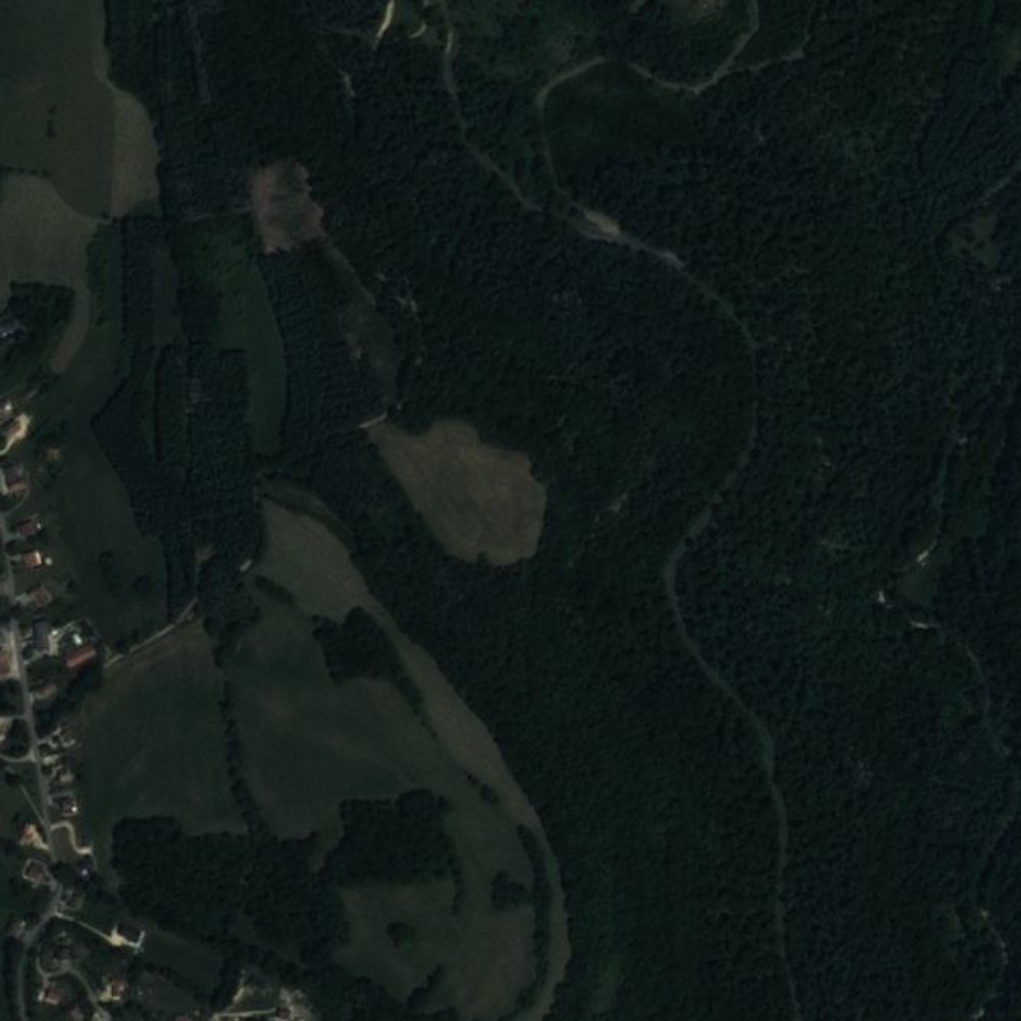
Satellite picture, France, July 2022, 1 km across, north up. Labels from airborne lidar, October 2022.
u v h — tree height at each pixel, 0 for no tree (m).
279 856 15
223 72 19
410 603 19
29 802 0
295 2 25
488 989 0
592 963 9
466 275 27
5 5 0
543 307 27
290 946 24
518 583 9
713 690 24
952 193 17
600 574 25
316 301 11
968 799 26
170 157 19
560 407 18
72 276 0
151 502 16
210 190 22
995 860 19
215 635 17
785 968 22
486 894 0
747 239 23
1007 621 20
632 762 10
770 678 17
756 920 15
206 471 17
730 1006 25
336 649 19
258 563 12
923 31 13
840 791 20
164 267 0
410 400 15
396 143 26
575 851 19
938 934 8
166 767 0
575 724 16
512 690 21
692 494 18
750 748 25
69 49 0
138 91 10
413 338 15
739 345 25
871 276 24
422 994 16
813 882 15
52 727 17
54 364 0
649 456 11
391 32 8
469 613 24
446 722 0
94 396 0
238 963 18
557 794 17
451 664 23
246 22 18
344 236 22
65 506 0
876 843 25
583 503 10
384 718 0
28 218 0
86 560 0
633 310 12
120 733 0
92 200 0
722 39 7
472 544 0
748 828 18
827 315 19
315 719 0
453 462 0
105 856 0
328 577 0
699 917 30
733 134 30
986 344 16
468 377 16
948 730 21
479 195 27
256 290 0
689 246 21
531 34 7
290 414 14
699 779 27
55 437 13
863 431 19
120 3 20
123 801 0
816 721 26
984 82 25
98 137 0
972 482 13
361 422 13
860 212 22
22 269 0
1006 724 20
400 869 18
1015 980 24
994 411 21
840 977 32
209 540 10
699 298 13
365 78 18
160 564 0
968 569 9
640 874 15
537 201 17
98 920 0
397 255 19
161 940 0
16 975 16
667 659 26
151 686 0
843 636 16
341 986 13
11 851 16
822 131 19
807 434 27
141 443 16
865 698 16
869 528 30
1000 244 14
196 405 17
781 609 21
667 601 26
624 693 28
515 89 10
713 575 23
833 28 22
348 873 18
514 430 23
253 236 12
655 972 14
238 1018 0
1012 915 22
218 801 0
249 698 0
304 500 0
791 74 14
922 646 21
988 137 19
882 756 19
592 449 13
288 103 26
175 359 17
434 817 24
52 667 0
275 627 0
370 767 0
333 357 20
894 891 24
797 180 10
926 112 20
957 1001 17
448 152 32
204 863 11
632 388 18
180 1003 0
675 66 13
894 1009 36
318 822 0
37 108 0
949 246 23
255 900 18
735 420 24
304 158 22
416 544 17
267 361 0
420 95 21
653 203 17
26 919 7
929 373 26
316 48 27
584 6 6
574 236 16
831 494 13
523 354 13
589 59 8
